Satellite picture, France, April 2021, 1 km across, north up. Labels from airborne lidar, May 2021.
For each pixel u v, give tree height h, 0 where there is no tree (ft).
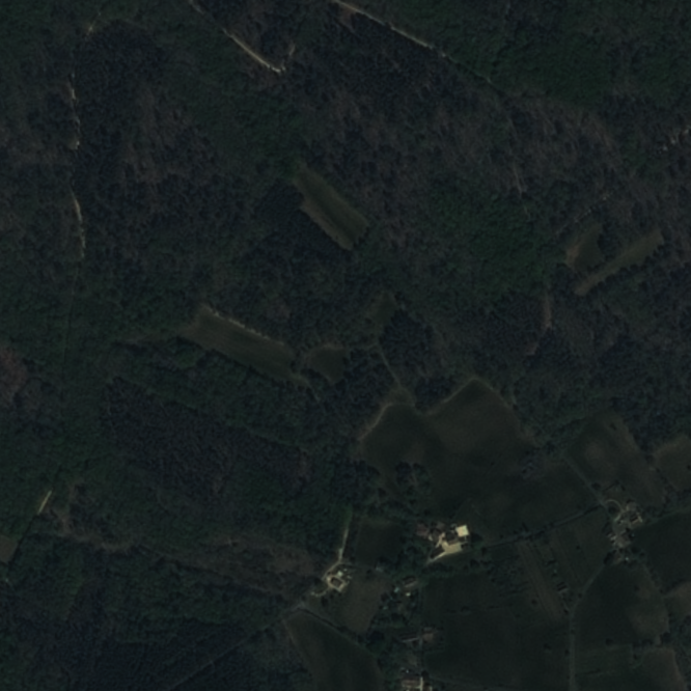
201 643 32
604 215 75
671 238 65
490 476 0
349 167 57
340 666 0
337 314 72
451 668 0
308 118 47
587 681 0
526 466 31
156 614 71
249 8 67
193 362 57
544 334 53
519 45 61
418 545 25
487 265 73
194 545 55
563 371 73
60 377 43
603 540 0
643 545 0
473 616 0
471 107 78
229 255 62
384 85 59
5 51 61
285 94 36
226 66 62
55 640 54
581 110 58
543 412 56
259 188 51
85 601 23
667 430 76
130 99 74
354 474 64
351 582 0
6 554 0
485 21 50
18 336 40
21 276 42
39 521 61
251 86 59
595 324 46
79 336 55
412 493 50
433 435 0
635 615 0
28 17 63
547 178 37
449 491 0
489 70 69
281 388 27
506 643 0
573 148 50
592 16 70
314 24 44
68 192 52
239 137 62
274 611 59
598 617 0
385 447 0
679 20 63
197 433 56
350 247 0
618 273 0
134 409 62
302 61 24
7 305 37
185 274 55
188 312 73
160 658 63
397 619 53
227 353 0
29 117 44
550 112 25
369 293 62
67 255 48
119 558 47
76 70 62
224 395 53
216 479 50
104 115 74
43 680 45
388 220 24
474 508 0
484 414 0
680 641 55
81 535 51
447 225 65
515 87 46
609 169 48
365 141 56
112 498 55
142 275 73
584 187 39
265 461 60
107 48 69
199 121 46
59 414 50
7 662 58
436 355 47
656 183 49
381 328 0
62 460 57
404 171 27
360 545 0
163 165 51
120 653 60
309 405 46
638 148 52
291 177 58
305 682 66
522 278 76
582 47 58
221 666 58
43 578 49
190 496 43
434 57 64
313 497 57
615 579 0
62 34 43
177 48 62
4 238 49
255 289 67
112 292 50
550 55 62
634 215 39
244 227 72
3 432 67
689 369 68
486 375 58
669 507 38
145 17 57
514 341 53
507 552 0
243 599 72
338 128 38
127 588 63
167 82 51
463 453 0
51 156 46
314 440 67
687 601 0
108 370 55
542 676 0
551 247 67
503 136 52
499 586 19
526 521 0
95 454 68
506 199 61
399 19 51
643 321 53
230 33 50
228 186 56
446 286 67
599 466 0
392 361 51
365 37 59
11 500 88
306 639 0
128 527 52
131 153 43
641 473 0
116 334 49
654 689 0
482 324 63
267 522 74
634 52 79
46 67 44
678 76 73
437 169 50
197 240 46
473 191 58
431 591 0
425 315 43
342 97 41
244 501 55
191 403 66
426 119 54
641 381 66
